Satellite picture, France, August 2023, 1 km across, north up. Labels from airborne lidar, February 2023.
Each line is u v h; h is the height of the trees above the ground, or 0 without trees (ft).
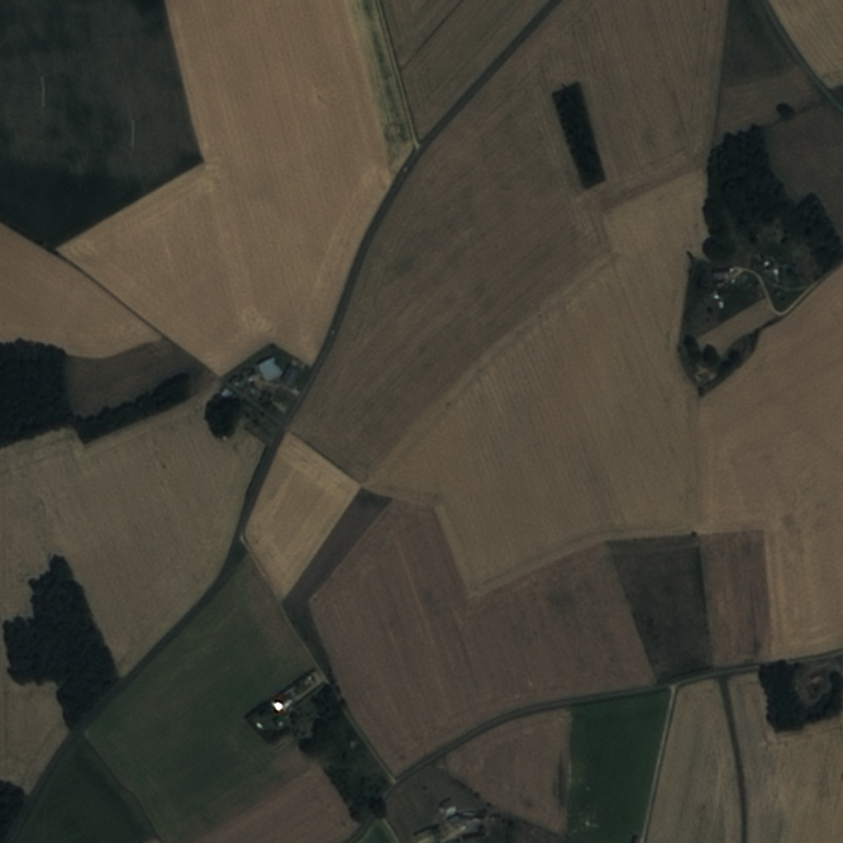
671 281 0
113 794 0
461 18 0
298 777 0
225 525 0
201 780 0
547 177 0
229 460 0
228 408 63
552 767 0
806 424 0
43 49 0
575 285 0
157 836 0
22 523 0
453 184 0
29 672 69
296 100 0
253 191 0
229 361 0
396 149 0
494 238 0
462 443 0
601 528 0
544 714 0
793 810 0
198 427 0
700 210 0
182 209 0
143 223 0
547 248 0
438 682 0
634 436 0
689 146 0
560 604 0
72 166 0
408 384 0
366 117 0
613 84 0
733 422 0
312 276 0
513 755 0
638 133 0
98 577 0
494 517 0
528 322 0
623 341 0
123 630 0
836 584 0
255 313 0
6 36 0
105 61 0
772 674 41
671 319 0
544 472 0
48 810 0
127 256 0
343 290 0
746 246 0
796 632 0
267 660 0
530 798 0
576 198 0
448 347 0
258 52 0
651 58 0
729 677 0
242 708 0
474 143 0
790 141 0
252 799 0
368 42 0
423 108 0
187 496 0
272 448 0
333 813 0
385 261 0
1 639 0
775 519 0
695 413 0
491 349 0
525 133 0
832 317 0
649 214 0
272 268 0
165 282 0
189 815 0
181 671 0
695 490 0
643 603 0
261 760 0
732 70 0
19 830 0
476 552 0
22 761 0
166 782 0
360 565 0
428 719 0
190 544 0
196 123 0
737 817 0
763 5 0
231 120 0
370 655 0
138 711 0
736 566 0
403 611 0
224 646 0
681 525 0
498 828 0
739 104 0
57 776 0
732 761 0
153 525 0
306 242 0
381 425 0
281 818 0
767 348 0
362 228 0
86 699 55
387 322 0
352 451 0
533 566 0
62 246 0
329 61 0
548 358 0
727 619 0
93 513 0
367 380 0
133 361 0
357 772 0
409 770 0
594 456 0
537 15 0
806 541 0
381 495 0
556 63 0
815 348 0
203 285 0
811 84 0
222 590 0
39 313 0
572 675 0
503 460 0
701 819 0
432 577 0
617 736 0
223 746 0
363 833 0
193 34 0
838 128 0
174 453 0
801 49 0
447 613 0
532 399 0
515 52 0
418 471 0
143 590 0
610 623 0
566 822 0
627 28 0
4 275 0
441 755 0
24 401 65
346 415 0
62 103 0
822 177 0
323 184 0
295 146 0
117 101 0
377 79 0
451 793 0
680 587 0
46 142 0
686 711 0
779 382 0
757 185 45
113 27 0
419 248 0
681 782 0
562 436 0
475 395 0
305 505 0
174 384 40
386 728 0
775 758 0
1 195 0
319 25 0
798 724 51
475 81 0
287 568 0
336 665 0
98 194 0
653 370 0
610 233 0
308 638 0
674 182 0
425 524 0
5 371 63
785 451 0
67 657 62
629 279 0
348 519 0
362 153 0
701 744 0
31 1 0
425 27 0
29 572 0
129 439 0
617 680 0
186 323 0
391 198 0
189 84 0
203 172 0
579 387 0
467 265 0
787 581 0
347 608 0
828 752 0
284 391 0
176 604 0
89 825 0
